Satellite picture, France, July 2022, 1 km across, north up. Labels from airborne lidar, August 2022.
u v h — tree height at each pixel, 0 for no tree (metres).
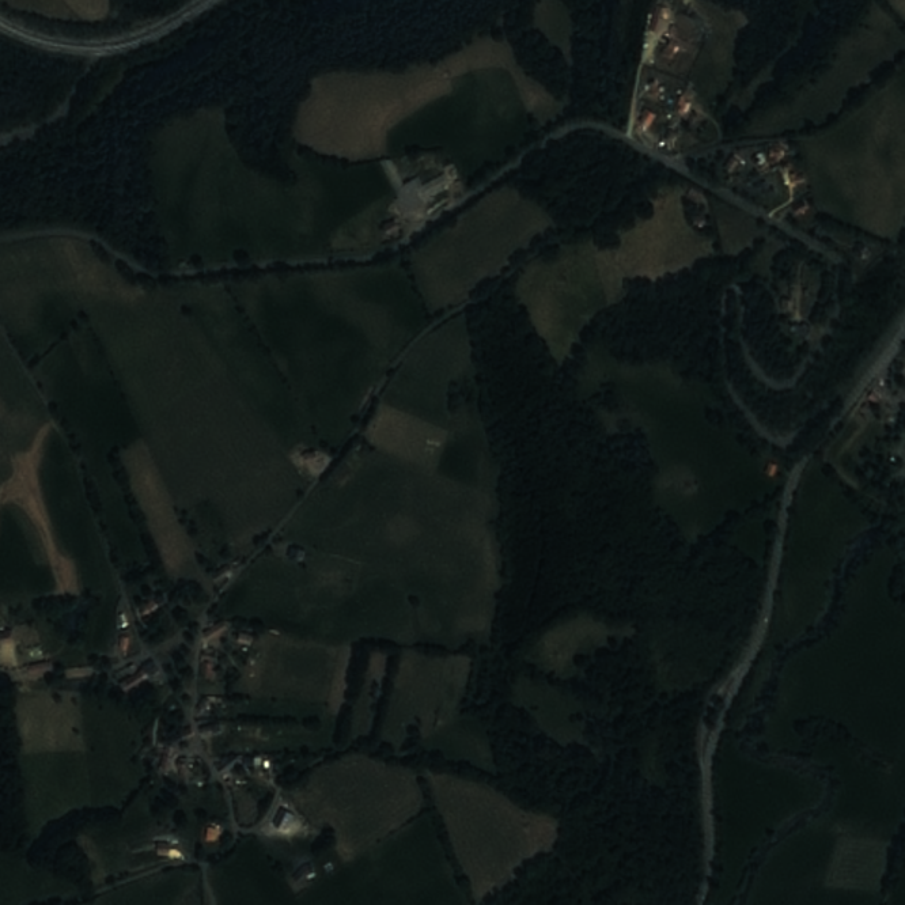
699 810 12
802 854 0
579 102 20
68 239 0
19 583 0
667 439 0
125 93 21
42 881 0
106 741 0
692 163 17
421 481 0
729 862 0
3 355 0
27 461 0
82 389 0
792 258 10
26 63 9
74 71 6
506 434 18
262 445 0
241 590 0
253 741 0
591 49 17
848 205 0
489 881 0
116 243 16
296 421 0
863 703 0
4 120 15
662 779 0
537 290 0
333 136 0
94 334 8
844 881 0
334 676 0
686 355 16
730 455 0
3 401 0
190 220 0
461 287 0
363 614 0
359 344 0
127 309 0
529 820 0
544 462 9
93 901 9
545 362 24
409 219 0
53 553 0
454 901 0
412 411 0
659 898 13
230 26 34
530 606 14
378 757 13
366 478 0
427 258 0
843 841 0
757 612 12
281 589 0
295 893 0
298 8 9
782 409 7
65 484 0
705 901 6
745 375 12
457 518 0
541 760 17
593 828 20
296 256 0
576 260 0
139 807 0
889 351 0
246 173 0
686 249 0
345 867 0
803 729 19
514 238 0
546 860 15
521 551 7
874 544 18
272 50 16
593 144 13
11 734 33
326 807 0
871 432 0
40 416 0
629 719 18
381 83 0
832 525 0
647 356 16
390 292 0
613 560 9
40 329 0
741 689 11
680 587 6
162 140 0
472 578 0
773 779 0
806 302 0
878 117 0
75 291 0
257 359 0
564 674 0
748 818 0
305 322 0
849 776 0
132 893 0
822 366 18
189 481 0
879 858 0
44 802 0
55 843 22
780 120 0
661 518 17
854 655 0
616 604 8
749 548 0
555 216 20
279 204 0
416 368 0
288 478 0
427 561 0
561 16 0
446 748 0
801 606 0
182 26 10
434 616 0
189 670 23
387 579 0
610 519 14
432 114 0
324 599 0
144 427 0
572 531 10
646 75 0
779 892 0
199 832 0
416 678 0
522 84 0
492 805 0
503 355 16
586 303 0
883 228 0
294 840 0
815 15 0
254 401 0
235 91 18
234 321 0
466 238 0
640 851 21
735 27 0
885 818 0
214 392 0
